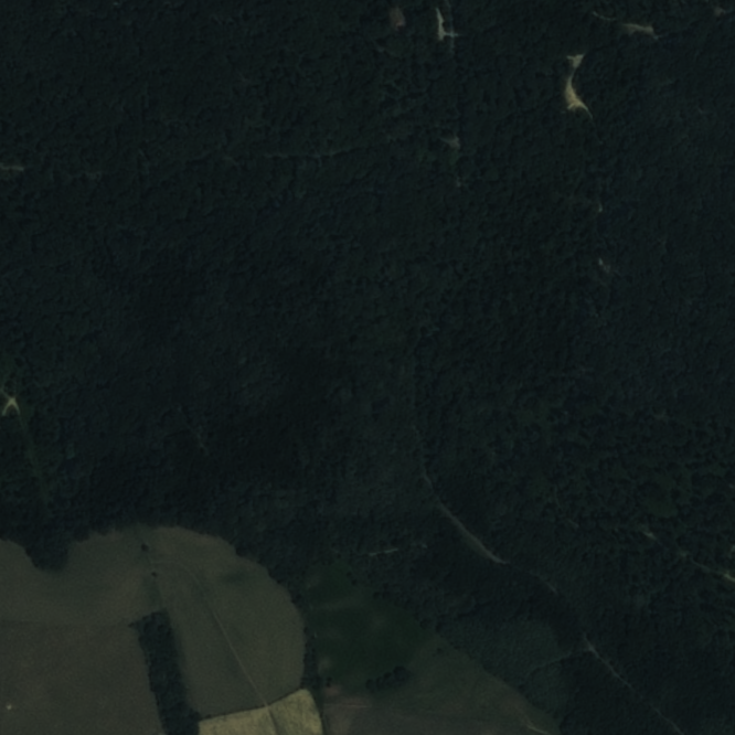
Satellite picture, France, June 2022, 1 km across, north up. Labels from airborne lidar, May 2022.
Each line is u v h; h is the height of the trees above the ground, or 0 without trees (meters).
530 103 29
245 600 0
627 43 27
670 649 20
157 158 26
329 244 27
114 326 21
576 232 20
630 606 32
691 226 24
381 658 0
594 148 10
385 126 22
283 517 30
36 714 0
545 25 18
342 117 24
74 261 31
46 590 0
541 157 28
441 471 24
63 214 31
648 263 24
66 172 18
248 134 27
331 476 18
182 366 26
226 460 19
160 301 10
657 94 23
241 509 31
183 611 0
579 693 20
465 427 22
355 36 30
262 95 18
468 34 17
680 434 24
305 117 33
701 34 29
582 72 8
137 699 0
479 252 25
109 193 34
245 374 19
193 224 28
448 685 0
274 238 24
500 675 14
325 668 0
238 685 0
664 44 10
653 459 24
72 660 0
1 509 12
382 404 28
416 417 24
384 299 28
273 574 10
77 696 0
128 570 0
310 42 25
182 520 27
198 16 25
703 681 18
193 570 0
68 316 31
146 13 22
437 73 27
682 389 25
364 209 27
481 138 31
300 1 27
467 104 28
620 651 32
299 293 10
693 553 23
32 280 24
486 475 6
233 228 23
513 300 7
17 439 15
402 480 21
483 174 32
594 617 22
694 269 23
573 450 31
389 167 27
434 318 18
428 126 24
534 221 16
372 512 24
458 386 17
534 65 30
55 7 18
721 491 30
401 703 0
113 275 17
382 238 27
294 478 17
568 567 19
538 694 19
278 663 0
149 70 21
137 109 24
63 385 23
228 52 26
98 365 30
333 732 0
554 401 28
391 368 25
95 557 0
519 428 30
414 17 29
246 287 21
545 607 15
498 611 21
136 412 25
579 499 23
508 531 18
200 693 0
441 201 23
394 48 33
